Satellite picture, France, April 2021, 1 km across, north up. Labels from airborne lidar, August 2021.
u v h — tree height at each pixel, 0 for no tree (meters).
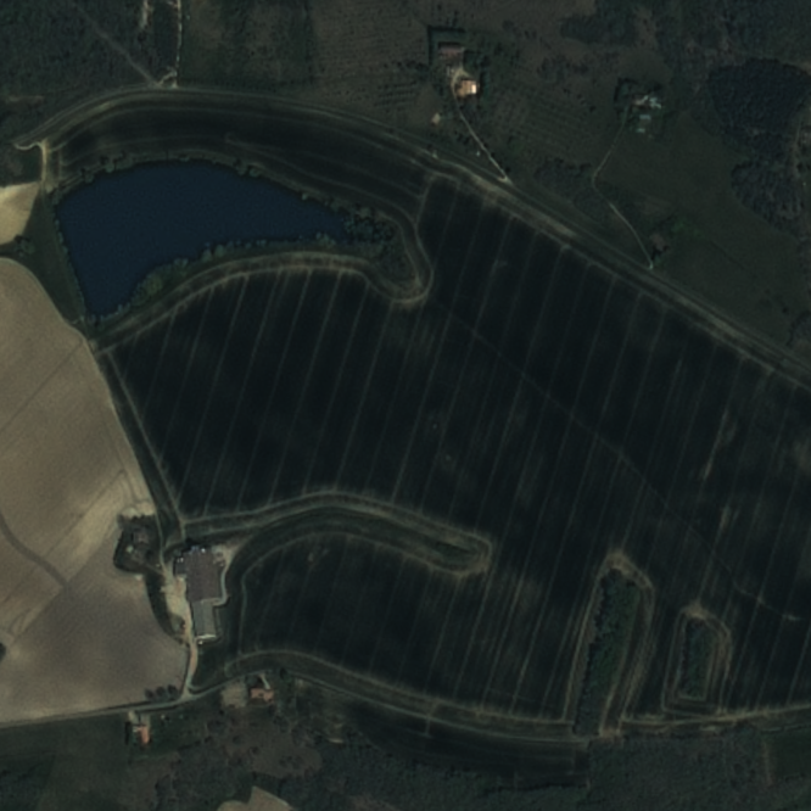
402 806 12
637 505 0
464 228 0
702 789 16
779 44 15
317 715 0
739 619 0
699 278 0
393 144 0
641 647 0
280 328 0
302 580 0
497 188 0
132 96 0
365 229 10
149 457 0
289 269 0
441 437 0
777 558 0
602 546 0
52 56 15
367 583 0
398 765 10
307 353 0
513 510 0
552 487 0
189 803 17
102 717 0
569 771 0
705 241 0
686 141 0
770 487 0
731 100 7
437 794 18
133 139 0
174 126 0
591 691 14
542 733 0
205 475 0
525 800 14
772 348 0
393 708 0
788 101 11
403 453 0
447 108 7
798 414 0
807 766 0
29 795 19
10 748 0
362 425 0
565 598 0
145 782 0
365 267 0
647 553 0
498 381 0
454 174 0
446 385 0
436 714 0
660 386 0
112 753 0
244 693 0
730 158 0
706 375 0
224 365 0
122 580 0
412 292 0
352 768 15
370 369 0
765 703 0
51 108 15
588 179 8
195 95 0
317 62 9
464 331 0
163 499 0
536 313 0
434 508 0
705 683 16
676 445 0
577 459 0
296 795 19
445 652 0
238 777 15
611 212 9
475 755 0
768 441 0
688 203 0
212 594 0
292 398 0
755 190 13
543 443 0
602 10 10
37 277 0
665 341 0
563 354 0
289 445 0
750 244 0
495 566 0
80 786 0
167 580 0
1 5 18
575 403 0
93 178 9
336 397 0
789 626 0
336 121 0
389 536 0
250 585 0
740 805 12
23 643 0
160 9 0
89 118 0
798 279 0
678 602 0
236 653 0
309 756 0
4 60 18
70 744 0
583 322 0
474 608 0
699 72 10
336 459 0
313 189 0
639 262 0
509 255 0
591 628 0
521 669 0
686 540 0
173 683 0
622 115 7
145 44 11
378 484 0
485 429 0
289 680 12
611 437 0
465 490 0
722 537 0
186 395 0
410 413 0
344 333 0
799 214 11
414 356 0
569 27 7
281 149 0
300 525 0
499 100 10
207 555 0
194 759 19
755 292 0
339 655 0
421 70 9
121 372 0
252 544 0
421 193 0
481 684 0
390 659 0
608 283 0
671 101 0
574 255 0
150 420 0
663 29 7
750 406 0
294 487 0
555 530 0
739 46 12
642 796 9
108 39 18
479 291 0
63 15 23
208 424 0
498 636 0
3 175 15
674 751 18
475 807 18
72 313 0
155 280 19
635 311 0
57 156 0
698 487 0
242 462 0
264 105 0
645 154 0
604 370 0
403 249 0
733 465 0
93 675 0
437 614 0
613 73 0
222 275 0
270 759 0
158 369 0
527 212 0
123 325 0
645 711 0
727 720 0
